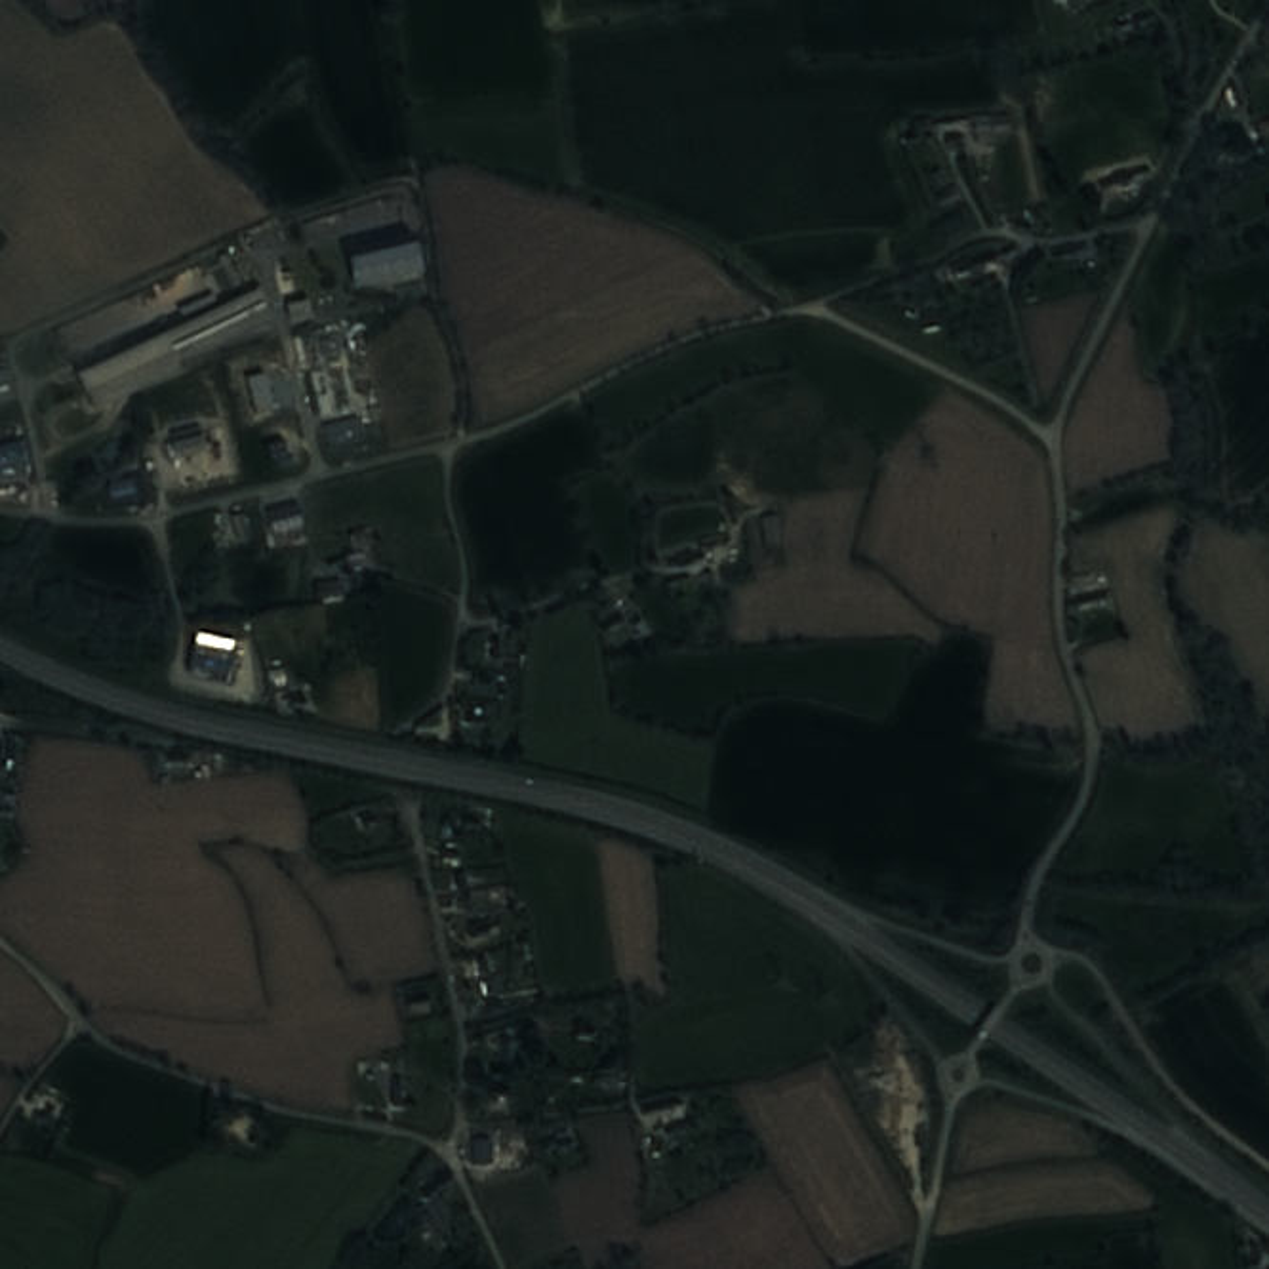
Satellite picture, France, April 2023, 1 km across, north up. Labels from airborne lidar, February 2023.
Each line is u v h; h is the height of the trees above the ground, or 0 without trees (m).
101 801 0
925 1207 0
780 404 0
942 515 0
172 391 0
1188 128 10
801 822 0
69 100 0
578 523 15
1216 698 7
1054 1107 0
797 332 0
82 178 0
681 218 0
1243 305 0
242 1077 0
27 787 0
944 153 0
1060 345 0
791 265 0
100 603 10
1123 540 0
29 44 0
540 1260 0
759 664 0
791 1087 0
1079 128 0
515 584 0
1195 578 0
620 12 0
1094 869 0
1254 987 0
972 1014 0
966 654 0
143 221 0
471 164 0
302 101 0
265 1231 0
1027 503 0
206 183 0
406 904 0
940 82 0
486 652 0
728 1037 0
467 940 0
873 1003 0
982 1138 0
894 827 0
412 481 0
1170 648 0
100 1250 0
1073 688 0
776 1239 0
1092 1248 0
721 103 0
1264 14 14
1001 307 10
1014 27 0
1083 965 0
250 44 0
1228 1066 0
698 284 0
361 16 0
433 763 0
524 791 0
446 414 0
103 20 12
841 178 0
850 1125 0
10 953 0
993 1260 0
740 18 0
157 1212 0
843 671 0
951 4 0
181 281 0
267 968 0
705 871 0
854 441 0
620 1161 0
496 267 0
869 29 0
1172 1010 0
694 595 0
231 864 0
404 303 7
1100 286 9
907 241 0
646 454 0
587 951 0
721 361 0
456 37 0
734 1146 9
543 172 0
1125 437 0
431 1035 0
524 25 0
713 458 0
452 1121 0
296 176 0
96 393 0
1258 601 0
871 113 0
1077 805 0
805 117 0
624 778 0
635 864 0
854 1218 0
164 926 0
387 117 0
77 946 0
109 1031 0
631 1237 0
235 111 0
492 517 0
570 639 0
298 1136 0
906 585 0
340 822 0
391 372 0
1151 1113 0
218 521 0
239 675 0
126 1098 0
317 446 0
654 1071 0
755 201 0
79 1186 0
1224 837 0
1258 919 0
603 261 0
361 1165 0
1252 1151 0
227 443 0
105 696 0
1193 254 18
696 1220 0
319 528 0
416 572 0
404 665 0
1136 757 12
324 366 0
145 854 0
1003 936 7
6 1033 0
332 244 0
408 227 0
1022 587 0
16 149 0
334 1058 0
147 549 0
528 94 0
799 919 0
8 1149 8
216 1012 0
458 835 8
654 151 0
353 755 0
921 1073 0
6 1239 0
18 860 10
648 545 7
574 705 0
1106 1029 10
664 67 0
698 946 0
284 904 0
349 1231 0
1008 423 0
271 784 0
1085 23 0
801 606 0
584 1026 6
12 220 0
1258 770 18
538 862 0
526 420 0
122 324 0
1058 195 12
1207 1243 0
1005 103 0
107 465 12
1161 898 14
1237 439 0
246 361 0
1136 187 0
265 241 0
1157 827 0
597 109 0
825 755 0
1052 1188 0
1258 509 8
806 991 0
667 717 0
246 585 0
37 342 0
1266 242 17
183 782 0
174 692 0
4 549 9
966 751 0
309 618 0
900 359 0
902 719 0
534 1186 0
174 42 0
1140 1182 0
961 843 0
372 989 10
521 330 0
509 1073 13
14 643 0
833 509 0
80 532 0
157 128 0
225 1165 0
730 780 0
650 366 10
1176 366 14
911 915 13
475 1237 6
